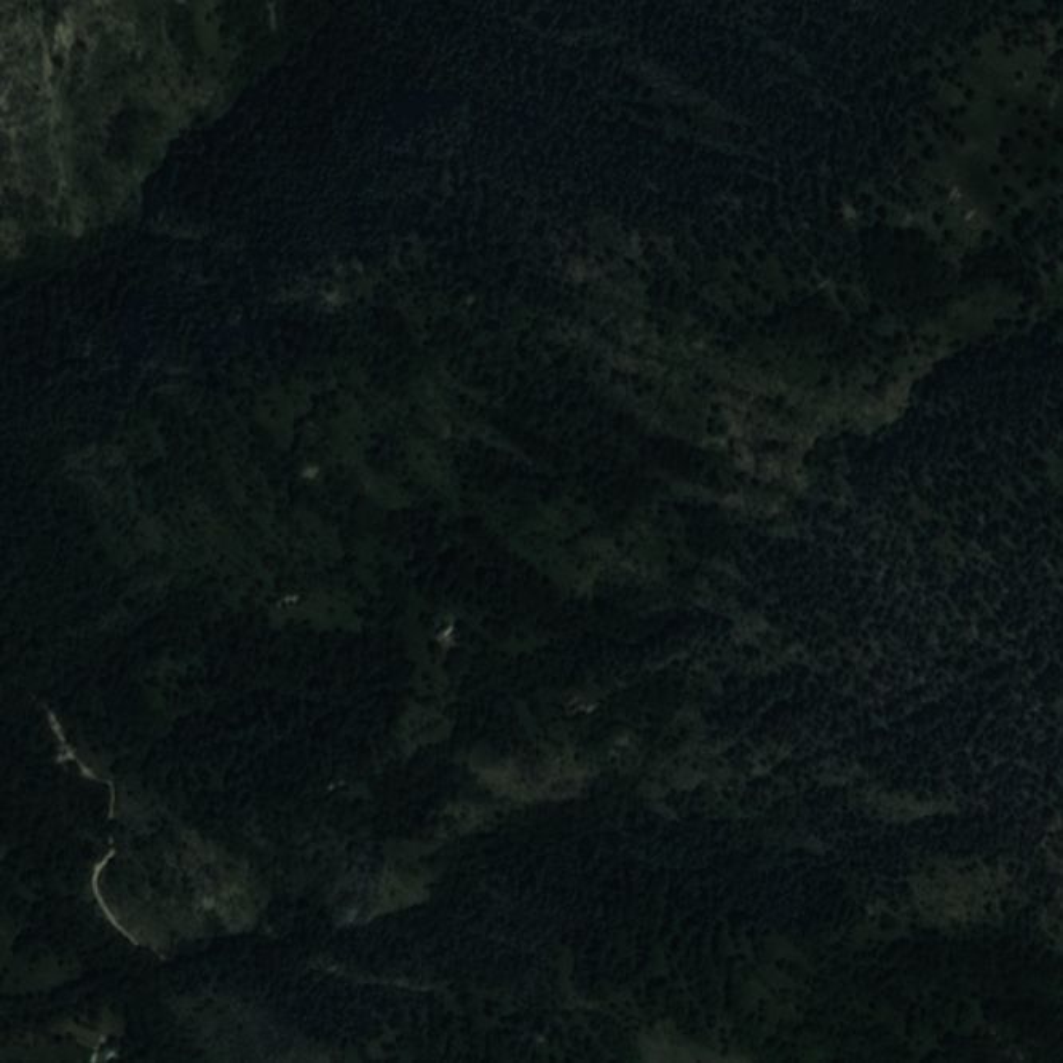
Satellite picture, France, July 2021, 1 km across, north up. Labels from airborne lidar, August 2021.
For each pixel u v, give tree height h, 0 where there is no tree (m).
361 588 14
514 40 14
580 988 8
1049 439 23
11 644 24
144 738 27
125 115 14
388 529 12
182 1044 6
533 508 7
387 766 8
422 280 15
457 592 21
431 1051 9
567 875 11
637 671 13
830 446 11
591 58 7
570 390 17
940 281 19
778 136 15
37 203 6
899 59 15
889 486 16
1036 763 10
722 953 12
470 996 18
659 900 12
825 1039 11
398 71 8
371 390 6
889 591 11
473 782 11
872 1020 11
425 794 22
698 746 0
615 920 15
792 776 19
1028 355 13
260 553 6
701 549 18
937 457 21
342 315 10
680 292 19
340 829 15
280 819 16
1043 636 21
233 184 23
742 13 9
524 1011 8
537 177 16
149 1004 18
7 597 20
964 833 15
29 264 12
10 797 15
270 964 10
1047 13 14
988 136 0
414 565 14
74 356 10
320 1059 0
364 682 12
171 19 6
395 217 11
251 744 15
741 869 21
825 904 24
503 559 16
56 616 14
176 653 11
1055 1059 9
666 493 16
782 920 21
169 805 5
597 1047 7
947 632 12
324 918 16
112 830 15
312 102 23
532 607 14
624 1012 7
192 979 9
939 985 18
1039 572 20
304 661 18
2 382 22
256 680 13
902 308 10
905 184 9
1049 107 0
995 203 0
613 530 9
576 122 23
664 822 15
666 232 11
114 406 8
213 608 8
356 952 10
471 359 9
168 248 12
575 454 17
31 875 18
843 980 16
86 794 13
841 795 18
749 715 18
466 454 9
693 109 8
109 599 8
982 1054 13
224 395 16
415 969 6
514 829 19
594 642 25
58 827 17
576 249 14
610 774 11
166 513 8
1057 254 14
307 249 7
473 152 18
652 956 14
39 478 11
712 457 8
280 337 26
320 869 11
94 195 7
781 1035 8
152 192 9
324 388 7
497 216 26
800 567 25
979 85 0
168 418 15
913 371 8
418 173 9
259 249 10
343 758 9
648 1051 0
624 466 22
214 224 10
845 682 7
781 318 17
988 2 18
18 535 7
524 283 20
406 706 12
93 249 12
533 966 17
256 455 12
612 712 14
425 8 18
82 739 12
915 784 13
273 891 13
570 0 15
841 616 18
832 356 9
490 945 9
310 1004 11
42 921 14
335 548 0
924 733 11
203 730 19
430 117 10
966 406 11
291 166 18
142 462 6
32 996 11
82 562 13
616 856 10
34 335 30
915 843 10
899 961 14
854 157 24
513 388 9
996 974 13
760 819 7
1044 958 17
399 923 17
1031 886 10
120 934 7
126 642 14
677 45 15
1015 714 14
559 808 12
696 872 19
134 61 8
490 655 15
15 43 6
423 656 0
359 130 7
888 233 16
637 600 16
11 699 13
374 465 12
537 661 15
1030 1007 27
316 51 21
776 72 9
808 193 20
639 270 10
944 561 7
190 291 6
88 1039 0
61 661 13
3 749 20
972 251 6
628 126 9
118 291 21
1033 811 10
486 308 6
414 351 9
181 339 12
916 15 22
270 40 10
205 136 10
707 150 9
